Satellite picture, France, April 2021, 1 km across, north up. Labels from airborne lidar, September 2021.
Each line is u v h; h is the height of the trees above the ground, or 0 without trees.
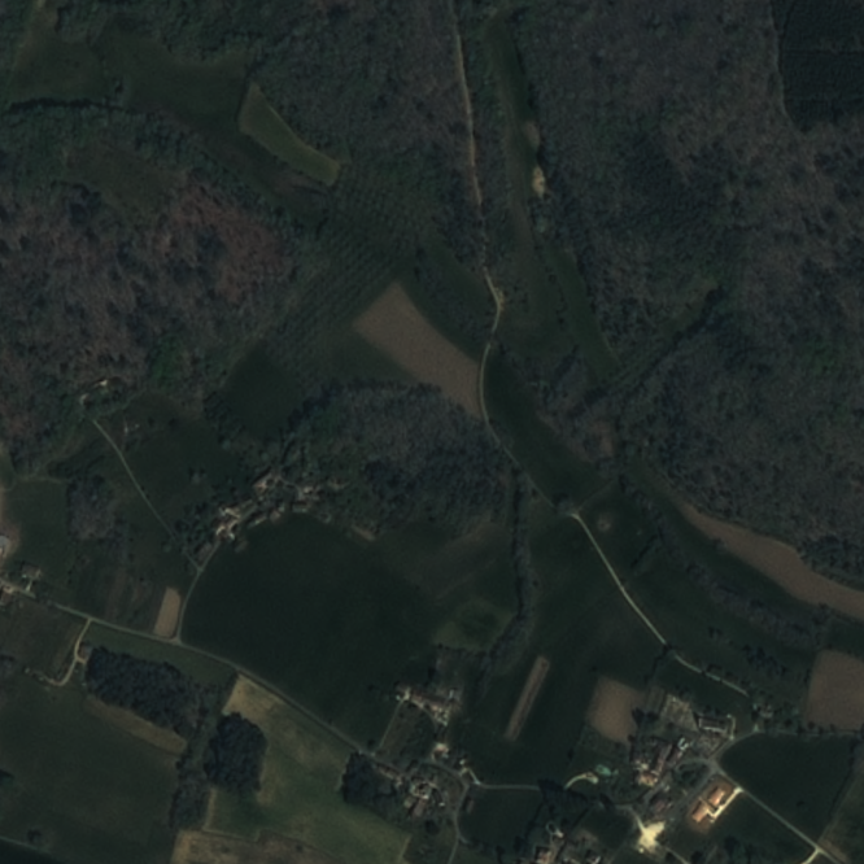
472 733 0
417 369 0
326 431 25
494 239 22
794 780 0
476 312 0
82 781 0
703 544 0
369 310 0
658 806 0
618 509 0
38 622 0
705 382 17
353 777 8
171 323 23
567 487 0
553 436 0
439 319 0
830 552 20
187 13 19
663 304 20
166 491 0
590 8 14
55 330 14
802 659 0
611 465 11
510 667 18
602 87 15
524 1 26
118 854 0
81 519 19
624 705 0
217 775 7
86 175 0
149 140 18
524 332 0
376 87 22
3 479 0
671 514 0
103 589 0
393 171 18
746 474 18
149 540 0
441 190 17
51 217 7
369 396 27
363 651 0
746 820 0
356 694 0
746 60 17
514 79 0
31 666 0
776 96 21
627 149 23
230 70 0
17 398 13
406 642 0
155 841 0
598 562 0
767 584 0
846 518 16
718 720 7
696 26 20
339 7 9
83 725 0
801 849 0
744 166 17
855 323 22
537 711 0
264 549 0
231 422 8
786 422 21
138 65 0
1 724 0
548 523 0
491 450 23
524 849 16
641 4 9
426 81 16
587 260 20
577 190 22
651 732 12
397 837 0
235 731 19
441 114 16
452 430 24
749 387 23
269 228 7
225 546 6
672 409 13
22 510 0
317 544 0
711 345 23
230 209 6
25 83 0
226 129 0
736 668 0
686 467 19
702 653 0
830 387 19
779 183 18
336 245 8
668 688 0
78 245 9
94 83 0
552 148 20
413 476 18
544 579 0
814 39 15
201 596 0
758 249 18
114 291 22
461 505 17
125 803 0
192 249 21
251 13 8
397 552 0
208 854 0
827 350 21
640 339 10
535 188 0
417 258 7
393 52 20
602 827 0
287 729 0
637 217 24
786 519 21
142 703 0
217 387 16
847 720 0
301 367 12
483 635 0
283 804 0
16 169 15
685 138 19
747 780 0
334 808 0
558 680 0
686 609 0
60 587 0
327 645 0
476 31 23
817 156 16
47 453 22
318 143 21
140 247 16
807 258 14
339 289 13
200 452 0
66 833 0
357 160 21
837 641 0
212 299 14
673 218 27
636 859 0
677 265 19
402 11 17
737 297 29
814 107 12
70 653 0
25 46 15
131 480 0
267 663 0
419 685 0
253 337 19
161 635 0
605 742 0
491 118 23
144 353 26
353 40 21
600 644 0
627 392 9
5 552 0
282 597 0
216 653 0
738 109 15
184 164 20
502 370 0
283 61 15
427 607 0
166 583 0
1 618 0
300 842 0
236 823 0
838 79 16
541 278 0
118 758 0
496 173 20
